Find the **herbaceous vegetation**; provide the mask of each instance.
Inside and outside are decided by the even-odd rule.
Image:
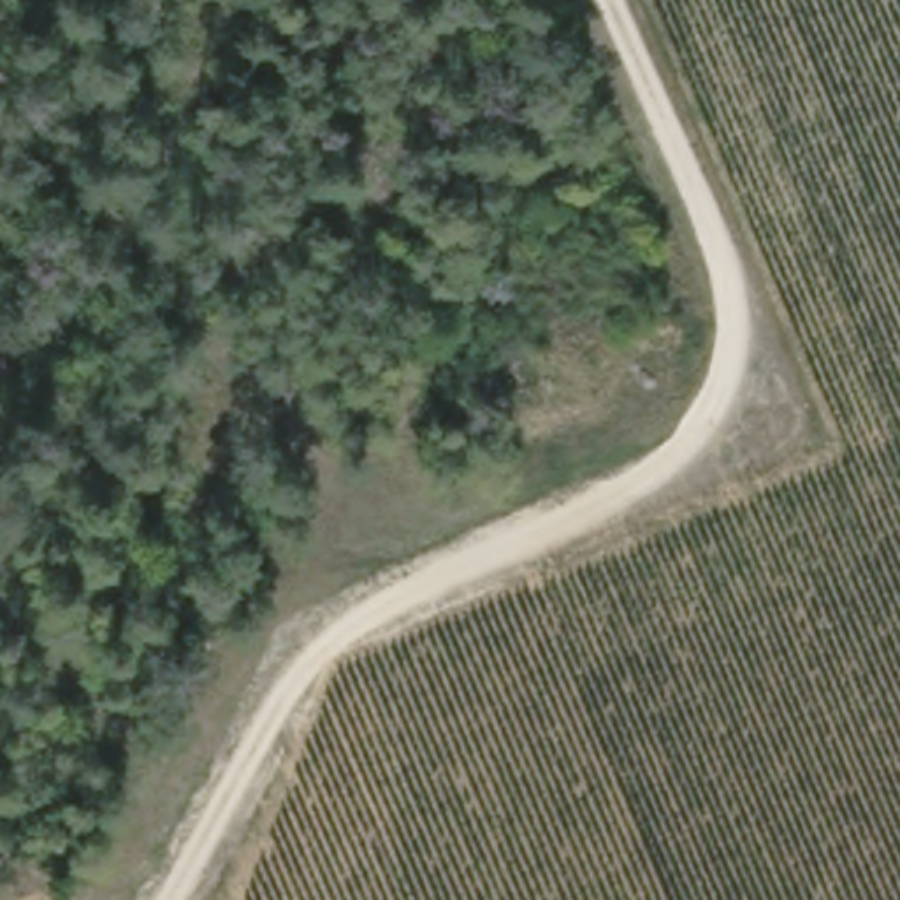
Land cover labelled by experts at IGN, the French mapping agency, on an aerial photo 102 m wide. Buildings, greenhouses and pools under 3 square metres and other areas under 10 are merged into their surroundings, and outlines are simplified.
[[[197,791],[211,784],[214,763],[232,759],[246,724],[260,710],[278,675],[327,622],[334,622],[348,608],[345,591],[376,580],[394,566],[408,566],[422,555],[443,552],[471,531],[506,520],[541,499],[559,503],[587,482],[608,478],[626,464],[647,457],[675,432],[675,425],[682,422],[682,415],[689,411],[693,397],[707,380],[717,327],[710,271],[682,204],[671,207],[668,239],[657,239],[654,225],[629,232],[629,243],[640,250],[640,260],[650,267],[668,267],[671,292],[686,299],[686,309],[675,323],[647,327],[615,348],[605,341],[605,313],[587,320],[559,313],[548,320],[552,345],[545,352],[531,345],[503,352],[503,359],[510,362],[513,404],[524,432],[520,439],[513,439],[513,461],[492,461],[478,446],[468,457],[468,471],[425,471],[415,457],[415,394],[404,394],[397,401],[390,415],[394,432],[369,436],[362,468],[352,468],[341,457],[341,446],[316,443],[309,450],[309,461],[316,468],[316,517],[309,524],[306,541],[288,531],[271,531],[264,538],[278,563],[274,622],[264,629],[243,629],[204,640],[204,661],[214,661],[221,668],[221,679],[186,717],[176,717],[169,742],[127,763],[123,809],[120,816],[105,819],[109,847],[88,847],[70,865],[77,900],[148,900],[141,889],[158,875],[169,875],[169,847],[176,840],[176,830],[193,812]]]
[[[376,626],[355,650],[401,640],[404,633],[432,619],[464,612],[485,598],[541,587],[545,580],[563,580],[601,559],[626,555],[640,541],[650,541],[654,534],[671,531],[700,513],[745,503],[756,492],[777,489],[784,482],[795,482],[809,471],[823,471],[833,461],[840,461],[844,450],[837,418],[805,362],[798,334],[759,253],[759,243],[752,239],[738,250],[752,323],[749,362],[735,404],[710,436],[710,443],[671,482],[636,499],[626,513],[608,517],[605,524],[534,559],[520,559],[513,566],[482,573],[475,580],[450,587],[436,601],[394,615],[390,622]]]
[[[316,721],[327,682],[316,679],[299,693],[295,707],[285,717],[285,728],[267,749],[250,791],[243,795],[236,819],[218,840],[190,900],[243,900],[250,893],[257,861],[274,847],[271,826],[285,795],[295,784],[295,766],[306,752],[306,735]]]

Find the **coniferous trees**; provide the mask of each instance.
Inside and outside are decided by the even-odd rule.
[[[309,524],[316,517],[316,468],[309,461],[309,450],[316,443],[341,446],[341,457],[352,468],[362,468],[369,436],[394,432],[390,415],[397,401],[404,394],[415,394],[415,457],[425,471],[468,471],[468,457],[478,446],[492,461],[513,461],[513,439],[520,439],[524,432],[513,404],[510,362],[503,359],[503,352],[531,345],[545,352],[552,345],[548,320],[559,313],[587,320],[605,313],[605,341],[615,348],[647,327],[675,323],[686,309],[686,299],[671,292],[668,267],[650,267],[640,260],[640,250],[629,243],[629,232],[654,225],[657,239],[668,239],[671,207],[682,204],[668,162],[622,70],[622,60],[608,42],[594,0],[0,0],[0,900],[77,900],[70,865],[88,847],[109,847],[105,819],[120,816],[123,809],[127,763],[169,742],[176,717],[186,717],[221,679],[221,668],[214,661],[204,661],[204,640],[243,629],[264,629],[274,622],[278,563],[264,538],[271,531],[288,531],[306,541]]]

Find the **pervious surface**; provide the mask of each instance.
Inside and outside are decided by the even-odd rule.
[[[475,580],[482,573],[513,566],[520,559],[534,559],[605,524],[608,517],[626,513],[636,499],[671,482],[710,443],[710,436],[735,404],[749,362],[752,323],[738,250],[728,236],[717,200],[700,172],[689,137],[671,109],[671,98],[661,84],[661,74],[643,46],[643,35],[626,0],[594,0],[608,42],[622,60],[622,70],[668,162],[682,204],[710,271],[717,327],[707,380],[693,397],[689,411],[682,415],[682,422],[675,425],[675,432],[647,457],[626,464],[608,478],[587,482],[559,503],[541,499],[506,520],[471,531],[443,552],[422,555],[408,566],[394,566],[376,580],[345,591],[348,608],[334,622],[327,622],[278,675],[260,710],[246,724],[232,759],[214,763],[211,784],[197,791],[193,812],[176,830],[176,840],[169,847],[169,875],[158,875],[141,889],[148,900],[190,900],[218,840],[236,819],[243,795],[250,791],[267,749],[285,728],[285,717],[295,707],[299,693],[316,679],[327,682],[338,657],[355,650],[376,626],[390,622],[394,615],[436,601],[450,587]]]

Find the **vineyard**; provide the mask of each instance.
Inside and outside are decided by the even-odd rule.
[[[243,900],[900,900],[900,0],[626,0],[643,35],[643,46],[661,74],[661,84],[671,98],[671,109],[689,137],[700,172],[717,200],[728,236],[738,250],[752,239],[759,243],[759,253],[798,334],[805,362],[837,418],[844,450],[840,461],[833,461],[823,471],[809,471],[795,482],[784,482],[777,489],[756,492],[745,503],[700,513],[671,531],[654,534],[650,541],[640,541],[626,555],[601,559],[563,580],[545,580],[541,587],[485,598],[464,612],[432,619],[404,633],[401,640],[355,650],[338,657],[327,682],[316,721],[306,735],[306,752],[295,766],[295,784],[285,795],[271,826],[274,847],[257,861],[250,893]]]

